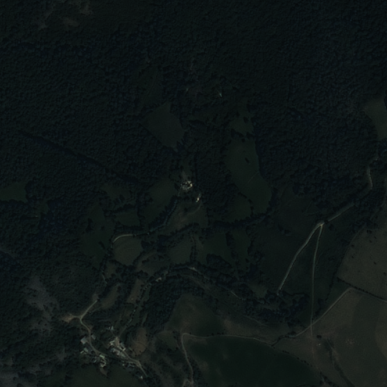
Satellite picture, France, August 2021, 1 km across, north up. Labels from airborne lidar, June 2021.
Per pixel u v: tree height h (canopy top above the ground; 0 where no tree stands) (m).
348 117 15
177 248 0
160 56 17
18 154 19
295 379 0
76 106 21
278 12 23
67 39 31
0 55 27
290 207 0
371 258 0
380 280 0
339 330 0
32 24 13
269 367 0
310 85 14
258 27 17
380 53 19
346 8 18
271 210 9
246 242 0
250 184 0
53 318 9
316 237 0
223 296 0
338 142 15
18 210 22
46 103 22
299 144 26
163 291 7
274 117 23
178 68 9
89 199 22
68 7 9
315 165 27
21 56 24
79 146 23
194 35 20
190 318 0
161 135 0
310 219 0
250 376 0
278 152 24
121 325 6
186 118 20
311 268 0
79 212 23
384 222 0
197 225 13
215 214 16
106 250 24
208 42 30
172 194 0
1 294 18
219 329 0
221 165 25
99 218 0
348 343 0
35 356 15
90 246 0
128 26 30
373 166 10
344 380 0
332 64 20
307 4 15
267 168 26
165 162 26
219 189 19
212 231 13
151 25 33
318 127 15
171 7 31
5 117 25
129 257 0
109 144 19
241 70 27
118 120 31
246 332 0
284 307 13
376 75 30
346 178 23
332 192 23
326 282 0
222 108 24
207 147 23
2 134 26
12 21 16
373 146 17
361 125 13
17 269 22
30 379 11
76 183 22
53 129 26
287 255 0
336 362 0
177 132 0
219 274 16
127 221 0
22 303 9
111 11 17
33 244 19
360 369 0
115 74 28
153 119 0
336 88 6
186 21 18
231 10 19
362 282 0
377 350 0
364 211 17
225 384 0
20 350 15
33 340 16
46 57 27
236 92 35
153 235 10
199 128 23
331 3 25
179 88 11
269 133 35
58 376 0
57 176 22
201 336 0
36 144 26
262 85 20
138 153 26
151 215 0
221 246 0
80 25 11
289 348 0
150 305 8
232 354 0
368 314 0
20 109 26
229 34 23
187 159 10
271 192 0
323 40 18
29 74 23
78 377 0
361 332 0
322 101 16
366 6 13
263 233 0
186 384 0
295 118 20
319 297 0
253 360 0
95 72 26
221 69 27
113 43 24
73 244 8
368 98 16
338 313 0
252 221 11
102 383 0
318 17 12
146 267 0
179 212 0
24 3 23
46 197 22
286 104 18
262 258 16
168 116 0
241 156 0
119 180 22
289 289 0
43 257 17
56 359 7
